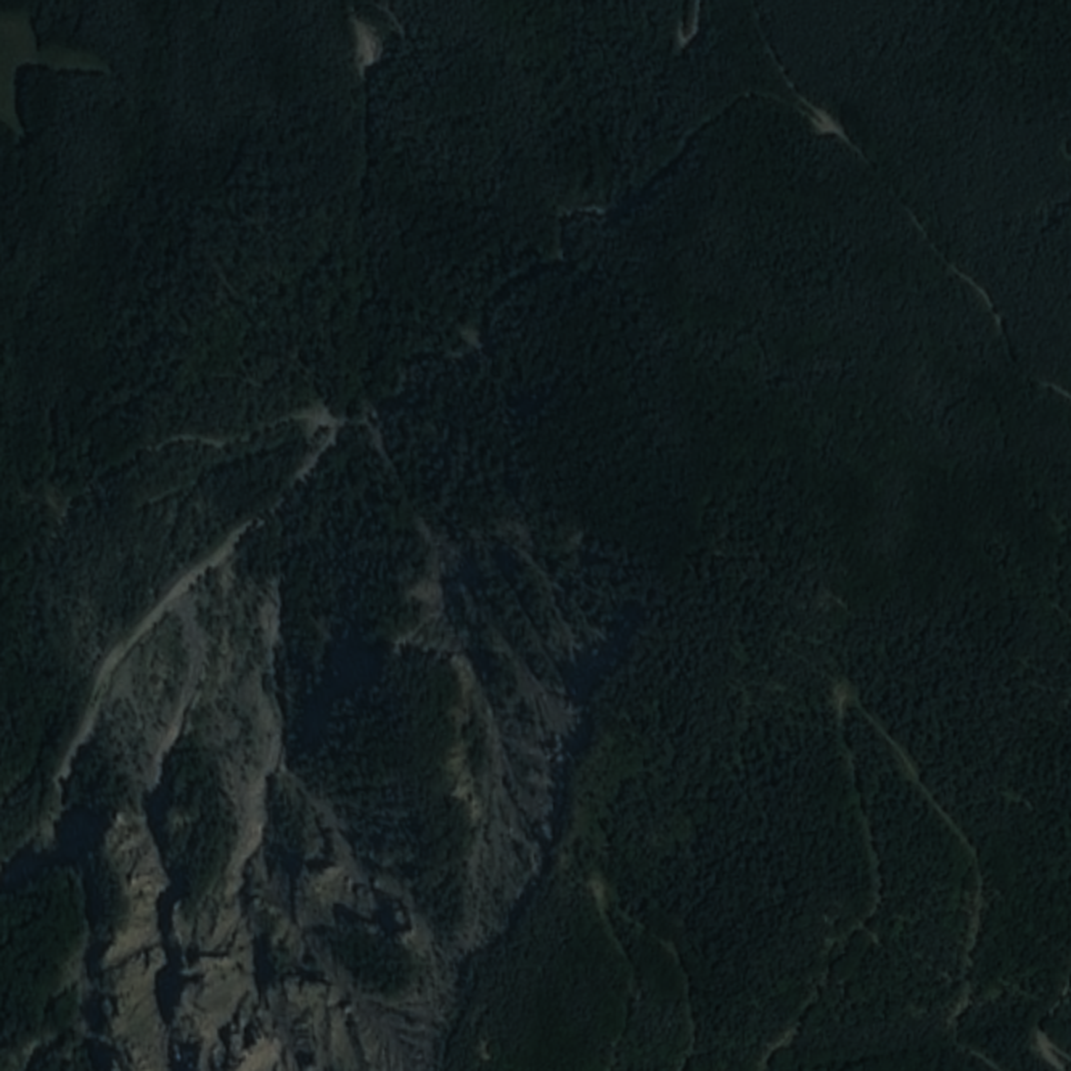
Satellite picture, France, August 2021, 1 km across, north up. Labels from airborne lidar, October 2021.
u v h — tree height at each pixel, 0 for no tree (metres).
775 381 9
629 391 14
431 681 14
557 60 15
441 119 16
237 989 0
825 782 13
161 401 28
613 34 14
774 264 12
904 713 19
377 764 11
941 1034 13
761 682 16
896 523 14
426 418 16
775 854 14
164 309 25
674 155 12
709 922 19
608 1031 17
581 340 22
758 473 19
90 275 20
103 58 13
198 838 7
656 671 16
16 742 19
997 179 14
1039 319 15
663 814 18
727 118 6
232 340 9
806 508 15
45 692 13
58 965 9
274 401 12
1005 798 17
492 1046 9
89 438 17
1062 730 13
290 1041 0
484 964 10
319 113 16
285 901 0
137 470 12
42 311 18
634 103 13
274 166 21
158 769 0
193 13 20
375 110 8
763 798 9
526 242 22
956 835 12
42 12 13
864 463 17
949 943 16
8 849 10
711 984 13
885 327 17
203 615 8
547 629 7
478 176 13
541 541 9
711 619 19
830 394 15
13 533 20
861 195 15
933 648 19
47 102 21
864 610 18
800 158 13
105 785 6
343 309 17
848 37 16
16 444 19
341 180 22
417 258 17
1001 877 18
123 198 21
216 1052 0
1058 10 12
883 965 12
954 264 11
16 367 17
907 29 17
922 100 17
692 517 18
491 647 8
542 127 16
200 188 25
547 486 18
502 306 17
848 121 18
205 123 16
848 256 16
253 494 26
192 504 14
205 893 9
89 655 9
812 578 15
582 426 19
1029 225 16
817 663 15
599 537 11
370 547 19
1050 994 8
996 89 11
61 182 16
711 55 17
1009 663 15
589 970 19
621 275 14
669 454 14
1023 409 16
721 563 19
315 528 25
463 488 11
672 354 12
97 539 8
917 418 10
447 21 12
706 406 19
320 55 14
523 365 22
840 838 14
